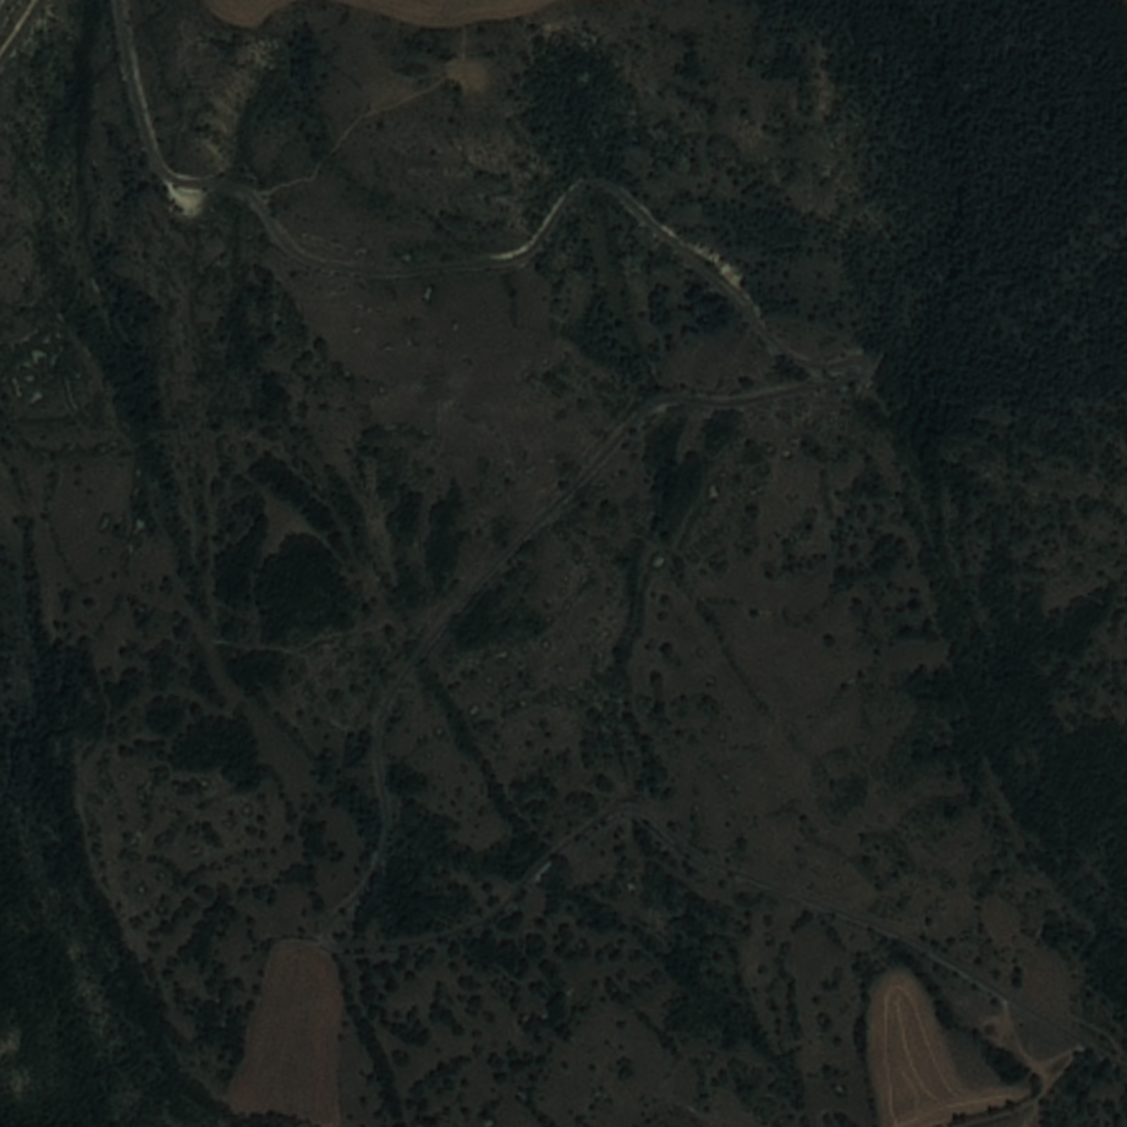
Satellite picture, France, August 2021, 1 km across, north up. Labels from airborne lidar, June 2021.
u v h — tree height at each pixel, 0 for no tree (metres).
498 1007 0
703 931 6
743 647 0
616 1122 0
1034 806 9
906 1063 0
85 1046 7
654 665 0
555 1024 7
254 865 0
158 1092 6
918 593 7
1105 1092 0
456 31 0
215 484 6
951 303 11
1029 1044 0
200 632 0
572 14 0
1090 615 9
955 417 8
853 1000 0
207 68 0
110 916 6
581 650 0
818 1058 0
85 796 0
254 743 9
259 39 0
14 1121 12
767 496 0
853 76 7
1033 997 0
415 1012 6
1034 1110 0
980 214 6
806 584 0
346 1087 0
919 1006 0
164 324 0
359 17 0
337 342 0
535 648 0
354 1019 8
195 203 0
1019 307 10
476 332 0
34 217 0
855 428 0
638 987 7
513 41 0
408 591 6
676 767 0
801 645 0
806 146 0
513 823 8
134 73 0
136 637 0
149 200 0
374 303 0
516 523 0
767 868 0
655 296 8
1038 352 7
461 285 0
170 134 0
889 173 6
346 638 0
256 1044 0
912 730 0
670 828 7
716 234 8
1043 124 12
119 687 6
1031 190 8
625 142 7
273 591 6
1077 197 11
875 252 6
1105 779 6
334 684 0
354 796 8
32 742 8
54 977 10
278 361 0
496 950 7
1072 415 7
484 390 0
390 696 0
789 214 7
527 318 0
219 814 0
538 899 0
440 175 0
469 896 7
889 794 0
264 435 7
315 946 0
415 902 10
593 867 0
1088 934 7
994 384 10
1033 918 0
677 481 7
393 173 0
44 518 6
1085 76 9
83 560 0
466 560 0
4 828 7
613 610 0
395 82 0
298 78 9
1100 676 7
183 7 0
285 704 0
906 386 9
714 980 6
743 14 0
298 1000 0
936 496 5
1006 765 8
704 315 10
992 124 7
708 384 0
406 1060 8
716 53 0
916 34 10
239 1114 11
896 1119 0
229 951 0
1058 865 7
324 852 7
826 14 7
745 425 0
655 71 0
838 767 0
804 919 6
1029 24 10
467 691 0
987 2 9
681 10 0
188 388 0
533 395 0
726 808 0
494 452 0
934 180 8
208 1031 7
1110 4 10
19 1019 8
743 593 0
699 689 0
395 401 0
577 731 0
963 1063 0
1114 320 10
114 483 0
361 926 10
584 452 0
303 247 0
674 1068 0
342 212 0
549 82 7
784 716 0
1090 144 9
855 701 0
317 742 0
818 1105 0
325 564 6
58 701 7
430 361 0
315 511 6
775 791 0
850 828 0
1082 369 7
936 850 0
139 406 6
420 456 0
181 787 8
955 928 0
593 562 0
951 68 12
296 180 0
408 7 0
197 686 7
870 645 0
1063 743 6
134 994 8
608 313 7
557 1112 0
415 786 6
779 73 6
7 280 0
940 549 7
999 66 11
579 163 7
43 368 6
